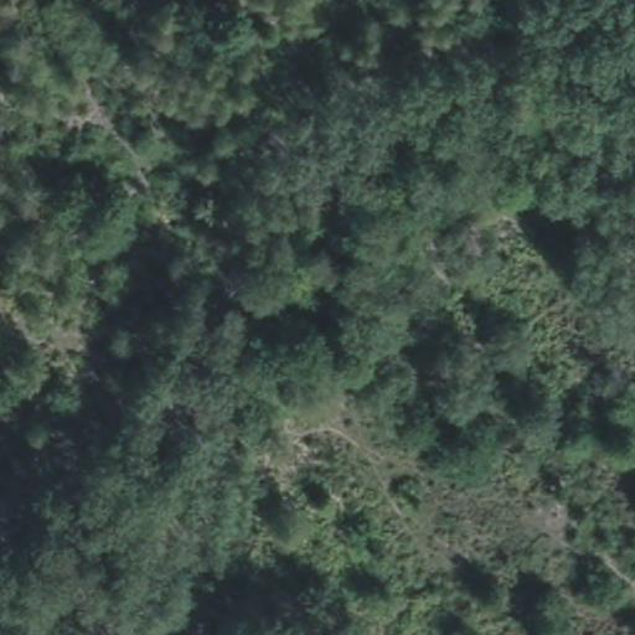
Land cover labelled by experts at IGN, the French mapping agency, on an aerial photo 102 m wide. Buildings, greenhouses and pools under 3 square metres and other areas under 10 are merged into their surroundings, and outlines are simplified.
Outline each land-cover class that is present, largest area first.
<instances>
[{"label":"brushwood","instance_id":"1","mask_svg":"<svg viewBox=\"0 0 635 635\"><path fill-rule=\"evenodd\" d=\"M424 15H434L432 0H0V531L7 528L12 508L22 504L32 474L42 471L62 446H82L84 432L92 424L109 419L119 399L131 392L136 367L156 352L154 325H161L176 313V298L169 293L171 280L198 270L216 273L218 263L206 251L203 233L226 236L231 211L255 206L263 218L273 221V211L283 206V193H265L268 171H275L280 156L278 144L273 141L278 129L268 127L270 119L265 117V112L278 109L280 114H285L295 102L303 99L305 89L313 82L325 79L332 69L350 72L360 64L370 67L372 79L394 77L397 67L407 62V55L422 45L419 22ZM573 221L548 218L543 211L526 208L511 218H499L489 231H479L476 223L464 226L459 238V253L439 251L424 265V273H434V278L444 283V295L439 300L434 325L446 337L479 335V342H484L481 370H486L494 377V399L501 402L511 417L523 419L526 412H538L546 404V399L558 404L563 402L556 444L551 449L526 446L521 449V454H511L508 449H504L501 461L494 476L489 479V491H474L469 486H456L434 479V469H424L419 454L407 451V439L397 437L394 432L397 424L377 422V414L367 402L355 404V399L347 397L342 407V427L362 439L357 449L330 434L305 437L310 454L305 456V466L298 469V486L305 491L308 501L315 508H322L330 499L342 511L335 516V538L342 543L345 580L347 588L360 595L355 605L365 615L370 635H635V466L623 456V451L630 446V432L628 427L613 422V412L625 404H635V327L610 325L595 310V305L578 295V288H573V283L578 275L580 258L571 253ZM588 437H593L595 442L593 454L585 461L568 464L566 449L573 442Z\"/></svg>","mask_w":635,"mask_h":635},{"label":"coniferous trees","instance_id":"2","mask_svg":"<svg viewBox=\"0 0 635 635\"><path fill-rule=\"evenodd\" d=\"M434 15H424L419 22L422 45L407 55V62L397 67L394 77L372 79L370 67L360 64L350 72L332 69L325 79L313 82L305 89L303 99L295 102L285 114H280L278 109L265 112V117L270 119L268 127L278 129L273 141L278 144L280 156L275 171H268L265 193H283V206L273 211V221L263 218L255 206L231 211L226 236L203 233L206 251L218 263L216 273L198 270L171 280L169 293L176 298V313L161 325H154L156 352L136 367L131 392L119 399L109 419L92 424L84 432L82 446H62L42 471L32 474L22 504L12 508L7 528L0 531V635H370L365 615L355 605L360 595L347 588L345 580L342 543L335 538V516L342 511L330 499L322 508H315L308 501L305 491L298 486V469L305 466V456L310 454L305 437L330 434L357 449L362 439L342 427V407L347 397L355 399V404L367 402L377 414V422L397 424L394 432L397 437L407 439V451L419 454L424 469H434V479L456 486H469L474 491H489V479L494 476L501 461L504 449H508L511 454H521V449L526 446L518 437L526 429L523 419L511 417L501 402L494 399V377L486 370H481L484 342H479V335L446 337L434 325L439 300L444 295V283L434 278V273H424V265L439 251L459 253V238L464 226L476 223L479 231H489L499 218H511L526 208L543 211L551 186L561 181L558 166H563L573 156L571 149L583 131L585 109L590 104L598 107L600 122L615 112H635V0H432Z\"/></svg>","mask_w":635,"mask_h":635},{"label":"deciduous trees","instance_id":"3","mask_svg":"<svg viewBox=\"0 0 635 635\"><path fill-rule=\"evenodd\" d=\"M573 156L563 166H558L561 181L551 186L543 211L548 218L573 221L571 253L580 258L578 275L573 283V288H578V295L595 305V310L610 325L635 327V112H615L600 122L598 107L590 104L585 109L583 131L571 149ZM563 402L558 404L546 399V404L538 412H526L523 419L526 429L518 437L526 446L551 449L556 444ZM613 422L628 427L630 432V446L623 451V456L635 466V404H625L613 412ZM595 442L593 437H588L573 442L566 449L568 464L585 461L593 454Z\"/></svg>","mask_w":635,"mask_h":635}]
</instances>
